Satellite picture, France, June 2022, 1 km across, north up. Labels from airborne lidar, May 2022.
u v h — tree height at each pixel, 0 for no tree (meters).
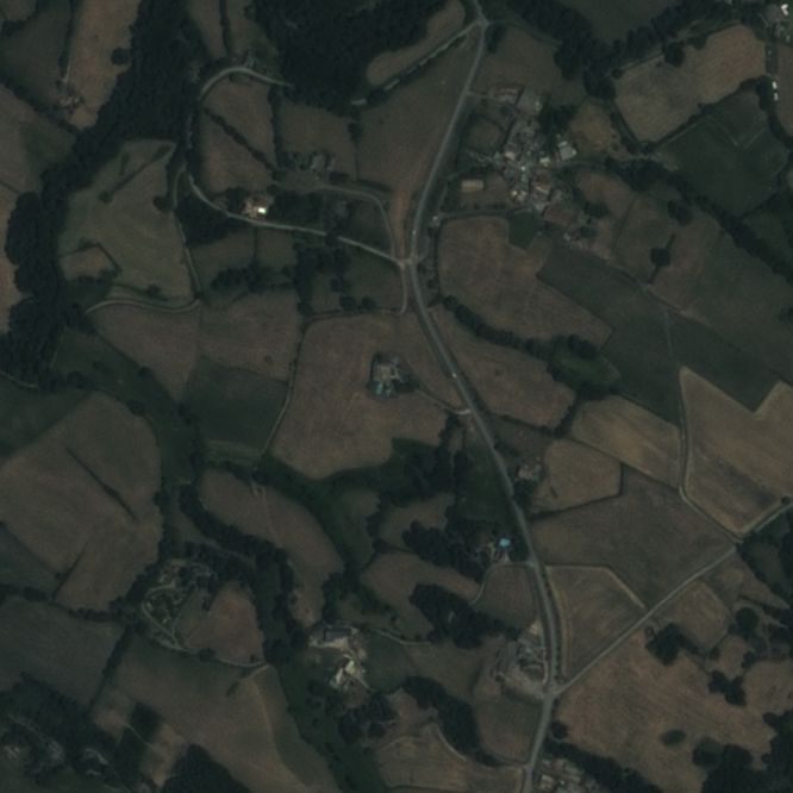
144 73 23
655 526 0
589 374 0
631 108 0
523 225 0
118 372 0
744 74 0
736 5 12
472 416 0
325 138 0
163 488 10
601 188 0
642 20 0
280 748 0
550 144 6
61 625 0
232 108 0
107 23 0
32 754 7
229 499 0
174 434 0
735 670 0
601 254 0
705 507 0
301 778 0
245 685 0
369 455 0
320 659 0
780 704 0
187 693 0
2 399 0
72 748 9
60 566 0
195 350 0
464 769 0
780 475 0
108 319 0
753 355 0
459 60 0
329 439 0
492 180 0
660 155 0
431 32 0
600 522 0
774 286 0
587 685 0
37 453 0
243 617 0
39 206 19
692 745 0
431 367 0
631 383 0
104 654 0
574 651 0
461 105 0
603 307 0
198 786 14
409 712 0
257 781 0
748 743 0
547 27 22
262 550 26
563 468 0
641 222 0
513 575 0
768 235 0
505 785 0
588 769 20
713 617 0
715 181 0
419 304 0
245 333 0
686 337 0
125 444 0
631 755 0
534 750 0
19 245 28
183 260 0
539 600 0
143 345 0
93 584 0
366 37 32
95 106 0
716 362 0
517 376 0
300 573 0
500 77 0
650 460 0
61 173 12
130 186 0
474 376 0
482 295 0
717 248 0
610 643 0
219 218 13
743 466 0
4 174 0
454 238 0
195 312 0
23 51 0
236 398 0
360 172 0
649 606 0
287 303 0
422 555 24
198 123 13
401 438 0
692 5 22
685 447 0
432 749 0
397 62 0
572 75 18
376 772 0
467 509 0
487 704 0
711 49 0
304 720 0
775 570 0
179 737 0
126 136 19
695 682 0
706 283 0
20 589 10
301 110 0
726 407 0
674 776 0
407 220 0
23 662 0
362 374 0
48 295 20
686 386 0
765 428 0
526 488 17
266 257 0
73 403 0
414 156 0
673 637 12
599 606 0
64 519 0
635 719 0
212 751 0
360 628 6
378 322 0
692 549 0
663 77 0
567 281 0
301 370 0
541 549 0
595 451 0
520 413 0
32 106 14
